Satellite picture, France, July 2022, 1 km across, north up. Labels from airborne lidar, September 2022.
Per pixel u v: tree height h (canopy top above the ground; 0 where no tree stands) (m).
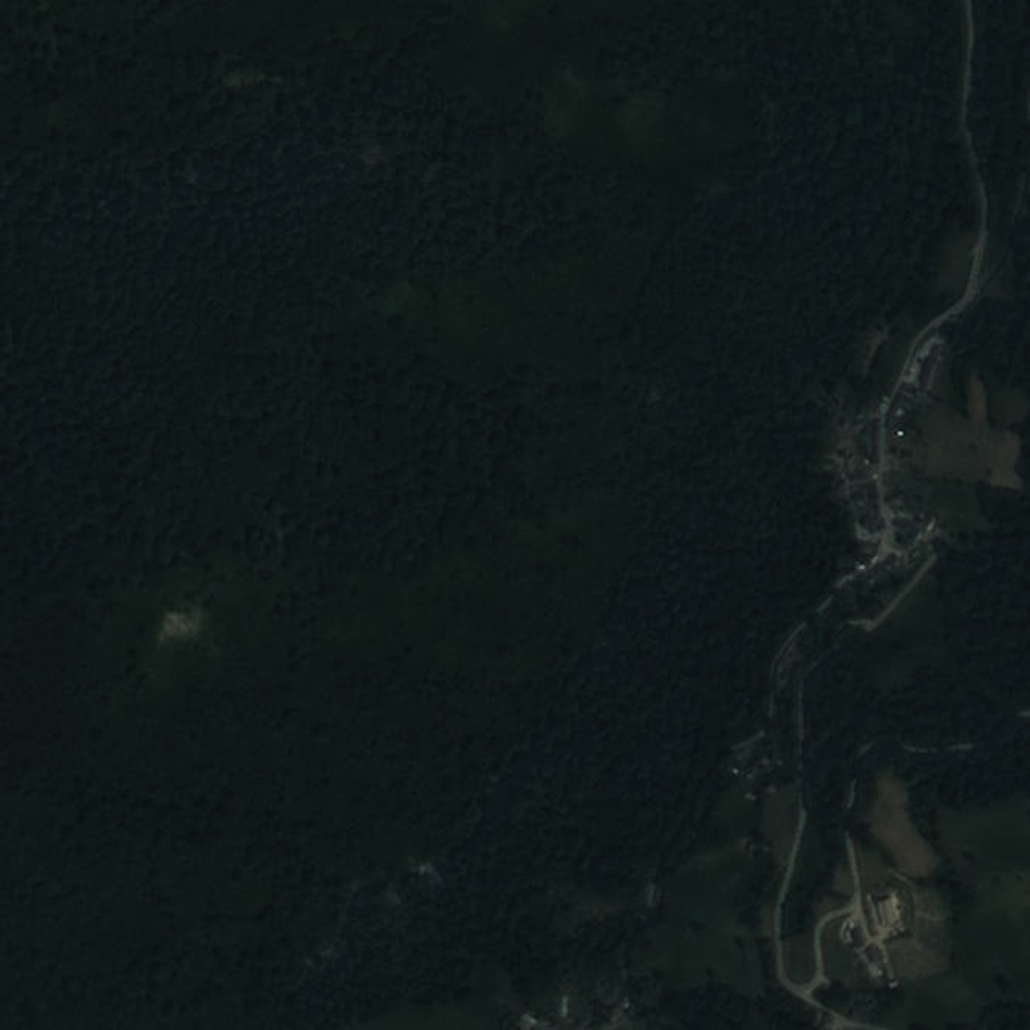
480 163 8
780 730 16
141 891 8
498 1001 0
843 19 16
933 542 0
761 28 9
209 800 23
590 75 8
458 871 22
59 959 10
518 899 23
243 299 29
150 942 12
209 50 16
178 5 6
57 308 25
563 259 12
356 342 12
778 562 24
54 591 11
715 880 0
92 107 8
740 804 0
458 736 9
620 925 7
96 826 9
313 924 8
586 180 16
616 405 13
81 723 11
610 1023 7
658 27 13
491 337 9
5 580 24
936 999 0
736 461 9
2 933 9
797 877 0
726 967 0
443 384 10
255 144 37
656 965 0
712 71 7
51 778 11
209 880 9
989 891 0
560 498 10
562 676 14
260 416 10
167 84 20
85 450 22
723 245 14
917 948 0
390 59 7
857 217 19
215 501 8
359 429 29
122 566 6
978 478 0
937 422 0
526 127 10
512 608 11
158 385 26
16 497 29
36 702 17
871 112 11
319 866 10
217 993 24
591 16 8
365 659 14
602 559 12
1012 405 0
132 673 23
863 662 9
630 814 11
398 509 20
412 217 27
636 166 8
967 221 26
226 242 35
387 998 17
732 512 30
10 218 24
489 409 8
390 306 6
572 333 10
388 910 6
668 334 16
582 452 11
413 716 10
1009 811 0
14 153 14
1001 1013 8
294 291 32
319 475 19
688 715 26
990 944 0
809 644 11
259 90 13
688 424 12
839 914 0
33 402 14
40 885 9
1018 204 0
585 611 14
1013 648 10
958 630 29
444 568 8
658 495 10
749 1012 26
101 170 24
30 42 6
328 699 13
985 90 11
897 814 0
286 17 9
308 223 28
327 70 18
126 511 25
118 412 29
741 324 17
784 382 15
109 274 29
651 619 15
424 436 19
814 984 0
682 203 10
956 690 11
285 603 22
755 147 25
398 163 11
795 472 28
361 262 23
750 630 28
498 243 33
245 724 8
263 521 7
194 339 28
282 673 9
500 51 6
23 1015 22
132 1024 10
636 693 11
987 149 13
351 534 27
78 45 30
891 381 0
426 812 12
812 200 25
